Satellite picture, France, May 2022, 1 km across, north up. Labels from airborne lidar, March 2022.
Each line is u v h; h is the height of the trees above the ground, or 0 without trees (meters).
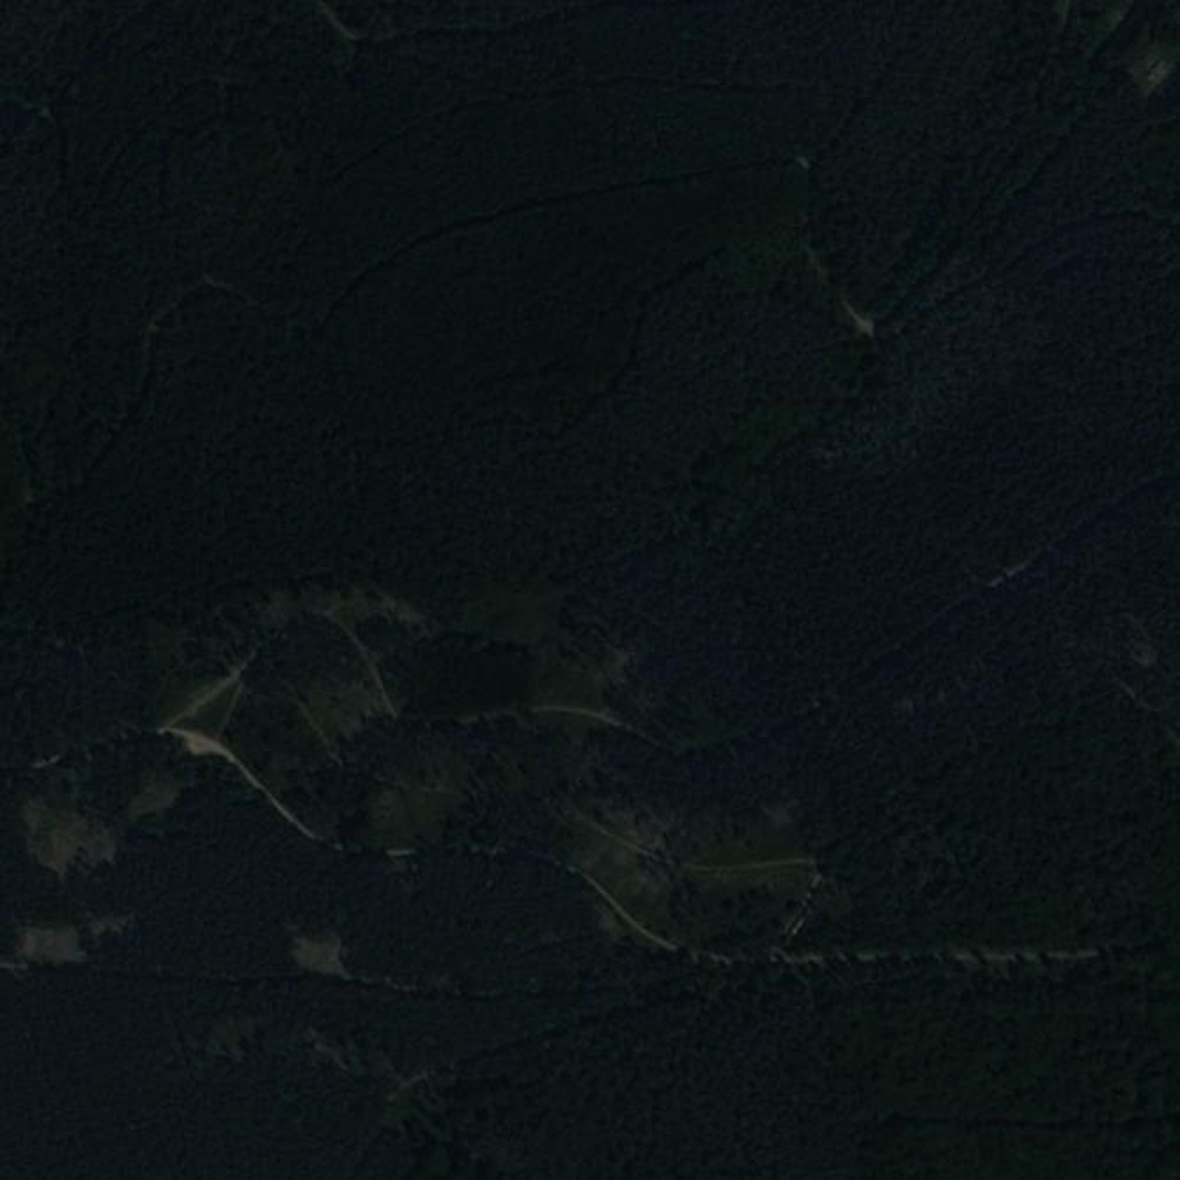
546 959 17
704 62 20
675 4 18
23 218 34
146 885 20
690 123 18
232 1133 15
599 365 13
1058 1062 22
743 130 17
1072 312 28
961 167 29
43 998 19
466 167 16
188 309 16
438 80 19
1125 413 20
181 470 19
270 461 21
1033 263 26
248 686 20
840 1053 21
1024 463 20
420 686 9
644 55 18
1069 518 18
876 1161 23
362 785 22
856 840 13
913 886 20
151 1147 16
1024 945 16
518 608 0
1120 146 27
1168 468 22
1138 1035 22
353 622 0
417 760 25
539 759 23
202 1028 12
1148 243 28
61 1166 18
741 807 22
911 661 21
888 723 19
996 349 22
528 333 13
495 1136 20
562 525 28
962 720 19
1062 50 13
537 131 18
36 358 24
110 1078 17
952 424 22
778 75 24
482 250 15
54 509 20
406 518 26
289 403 23
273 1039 18
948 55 30
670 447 30
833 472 24
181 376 16
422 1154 28
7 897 20
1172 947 18
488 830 23
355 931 19
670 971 17
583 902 21
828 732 25
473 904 18
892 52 22
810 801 26
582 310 11
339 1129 23
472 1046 19
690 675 26
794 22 26
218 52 19
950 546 25
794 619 21
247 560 15
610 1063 28
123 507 19
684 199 13
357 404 19
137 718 21
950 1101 22
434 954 15
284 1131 19
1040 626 21
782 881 0
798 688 22
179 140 15
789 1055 29
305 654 25
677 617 27
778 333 29
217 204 24
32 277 23
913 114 28
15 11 37
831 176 23
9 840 20
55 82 15
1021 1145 23
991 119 25
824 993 21
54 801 19
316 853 22
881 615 18
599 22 20
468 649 9
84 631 14
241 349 20
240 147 16
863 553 20
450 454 25
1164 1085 24
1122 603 22
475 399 17
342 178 16
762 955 23
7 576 21
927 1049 20
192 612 18
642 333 27
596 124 17
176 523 21
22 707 24
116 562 22
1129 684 19
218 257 17
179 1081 17
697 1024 21
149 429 18
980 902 21
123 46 18
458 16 28
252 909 19
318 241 20
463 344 17
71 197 18
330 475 26
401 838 0
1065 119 18
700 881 0
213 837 20
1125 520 16
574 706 0
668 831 0
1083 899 21
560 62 19
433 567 21
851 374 10
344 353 20
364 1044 26
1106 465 18
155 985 19
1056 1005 23
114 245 12
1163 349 25
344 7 23
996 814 18
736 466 31
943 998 23
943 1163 22
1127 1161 25
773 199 11
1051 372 22
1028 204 25
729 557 24
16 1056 18
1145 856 21
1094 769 19
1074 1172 25
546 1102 18
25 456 21
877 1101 18
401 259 15
